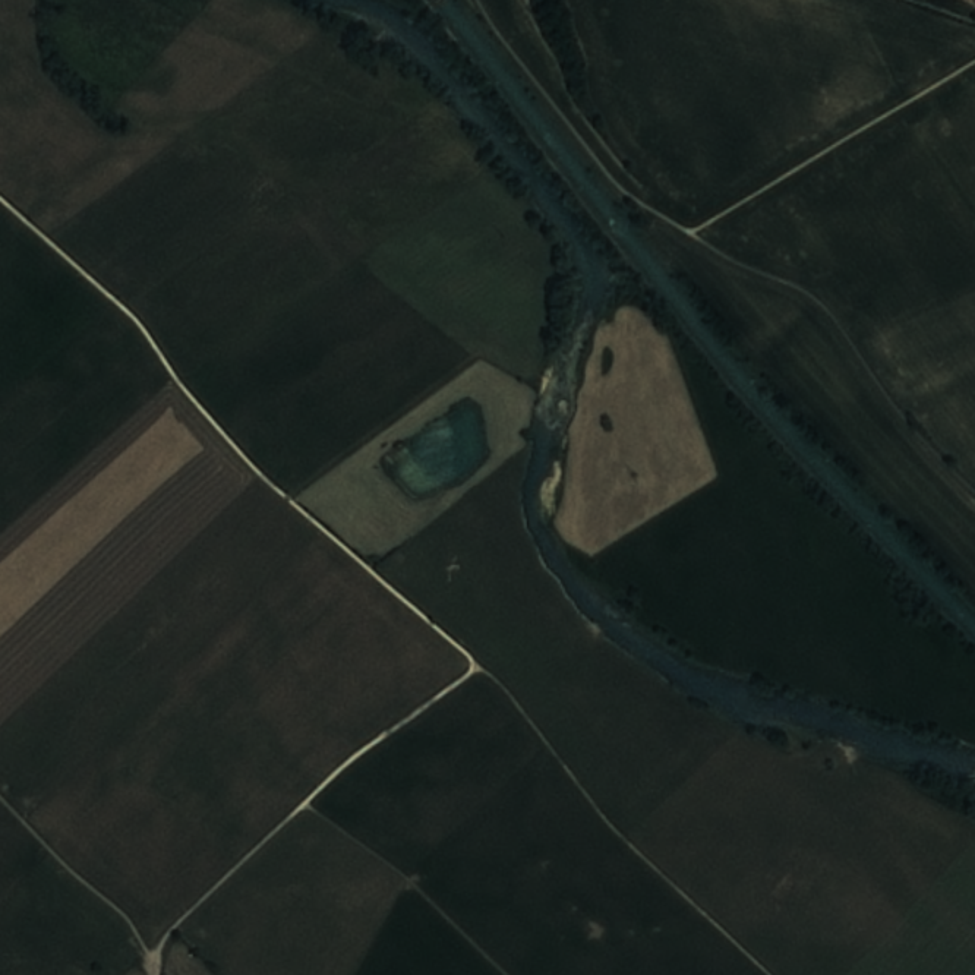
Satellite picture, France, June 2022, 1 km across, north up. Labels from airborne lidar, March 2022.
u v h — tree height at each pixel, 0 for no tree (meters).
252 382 0
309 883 0
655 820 0
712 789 0
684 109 0
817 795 0
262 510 0
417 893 0
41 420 0
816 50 0
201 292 0
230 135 0
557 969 0
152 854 0
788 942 0
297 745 0
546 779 0
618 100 0
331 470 0
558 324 22
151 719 0
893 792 0
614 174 0
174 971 0
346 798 0
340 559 0
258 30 0
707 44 0
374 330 0
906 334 0
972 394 0
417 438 0
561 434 0
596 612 0
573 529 0
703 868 0
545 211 0
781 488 0
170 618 0
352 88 0
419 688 0
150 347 0
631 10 0
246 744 0
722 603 0
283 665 0
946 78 0
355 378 0
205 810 0
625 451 0
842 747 0
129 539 0
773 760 0
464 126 10
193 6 0
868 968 0
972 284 0
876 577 0
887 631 0
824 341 0
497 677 0
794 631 0
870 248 0
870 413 0
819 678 0
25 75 0
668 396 0
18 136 0
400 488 0
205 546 0
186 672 0
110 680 0
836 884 0
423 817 0
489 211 0
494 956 0
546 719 0
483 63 0
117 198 0
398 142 0
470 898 0
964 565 0
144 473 0
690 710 0
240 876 0
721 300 0
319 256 0
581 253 0
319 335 0
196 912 0
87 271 0
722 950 0
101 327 0
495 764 0
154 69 0
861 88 0
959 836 0
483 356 0
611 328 0
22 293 0
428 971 0
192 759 0
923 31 0
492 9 0
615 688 0
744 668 0
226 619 0
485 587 0
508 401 0
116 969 0
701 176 0
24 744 0
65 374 0
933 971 0
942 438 0
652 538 0
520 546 0
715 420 0
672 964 0
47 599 0
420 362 0
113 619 0
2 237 0
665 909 0
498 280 0
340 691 0
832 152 0
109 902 0
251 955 0
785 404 21
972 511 0
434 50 0
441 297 0
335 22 13
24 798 0
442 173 0
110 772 0
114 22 0
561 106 0
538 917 0
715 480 0
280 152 0
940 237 0
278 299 0
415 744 0
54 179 0
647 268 0
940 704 0
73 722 0
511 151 0
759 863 0
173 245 0
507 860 0
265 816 0
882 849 0
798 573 0
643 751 0
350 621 0
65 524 0
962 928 0
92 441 0
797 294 0
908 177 0
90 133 0
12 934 0
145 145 0
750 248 0
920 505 0
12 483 0
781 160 0
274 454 0
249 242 0
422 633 0
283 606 0
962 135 0
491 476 0
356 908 0
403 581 0
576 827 0
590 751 0
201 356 0
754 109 0
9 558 0
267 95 0
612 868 0
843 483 0
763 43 0
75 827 0
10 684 0
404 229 0
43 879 0
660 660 0
